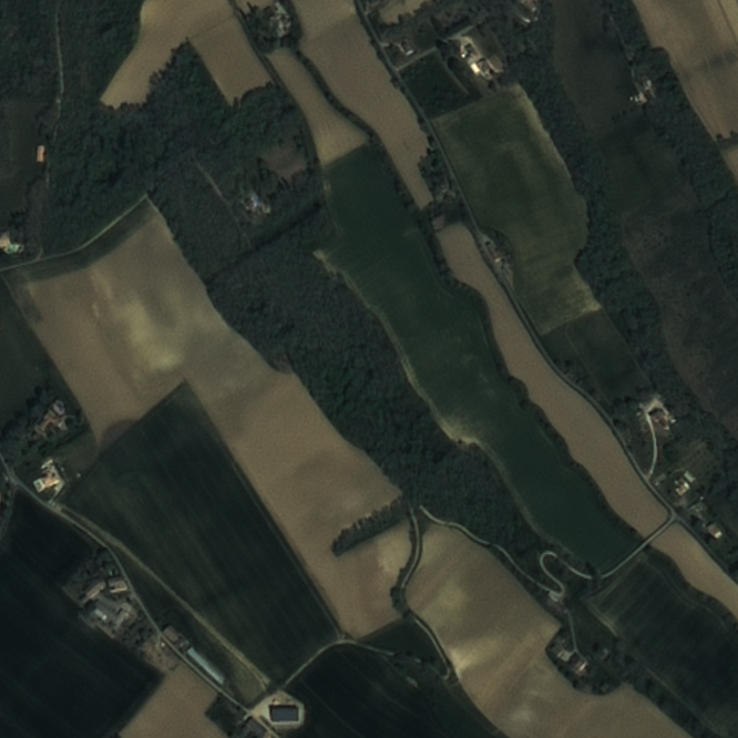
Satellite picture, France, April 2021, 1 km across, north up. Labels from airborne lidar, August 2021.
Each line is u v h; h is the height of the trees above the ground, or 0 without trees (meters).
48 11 14
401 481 22
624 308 18
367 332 24
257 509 0
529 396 0
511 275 0
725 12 0
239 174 12
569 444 0
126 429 0
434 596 0
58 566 0
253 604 0
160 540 0
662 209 0
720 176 21
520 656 0
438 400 0
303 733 0
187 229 16
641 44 15
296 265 17
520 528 15
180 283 0
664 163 0
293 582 0
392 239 0
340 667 0
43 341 0
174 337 0
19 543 0
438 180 11
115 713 0
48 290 0
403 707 0
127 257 0
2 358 0
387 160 11
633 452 10
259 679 0
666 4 0
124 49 13
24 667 0
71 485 0
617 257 12
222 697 8
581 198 11
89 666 0
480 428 0
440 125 0
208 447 0
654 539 0
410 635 0
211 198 18
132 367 0
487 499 24
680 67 0
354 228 0
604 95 0
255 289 12
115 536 0
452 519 15
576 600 0
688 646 0
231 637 0
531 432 0
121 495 0
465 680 0
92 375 0
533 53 15
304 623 0
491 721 0
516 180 0
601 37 0
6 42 14
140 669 0
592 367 0
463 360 0
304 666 0
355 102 0
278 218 18
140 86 0
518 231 0
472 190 0
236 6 0
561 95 18
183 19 0
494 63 0
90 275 0
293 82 0
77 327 0
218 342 0
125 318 0
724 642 0
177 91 18
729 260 9
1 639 0
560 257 0
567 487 0
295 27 10
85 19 12
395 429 18
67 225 19
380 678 0
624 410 19
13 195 0
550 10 17
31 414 11
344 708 0
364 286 0
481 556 0
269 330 18
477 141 0
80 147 9
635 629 0
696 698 0
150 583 0
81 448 0
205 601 0
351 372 18
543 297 0
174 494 0
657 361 22
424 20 11
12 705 0
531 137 0
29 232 17
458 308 0
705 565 0
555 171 0
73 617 0
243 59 0
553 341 0
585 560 0
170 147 15
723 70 0
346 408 15
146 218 0
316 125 0
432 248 7
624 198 0
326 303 16
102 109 16
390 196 0
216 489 0
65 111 12
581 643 0
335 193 0
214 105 7
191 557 0
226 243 16
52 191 12
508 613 0
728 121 0
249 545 0
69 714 0
